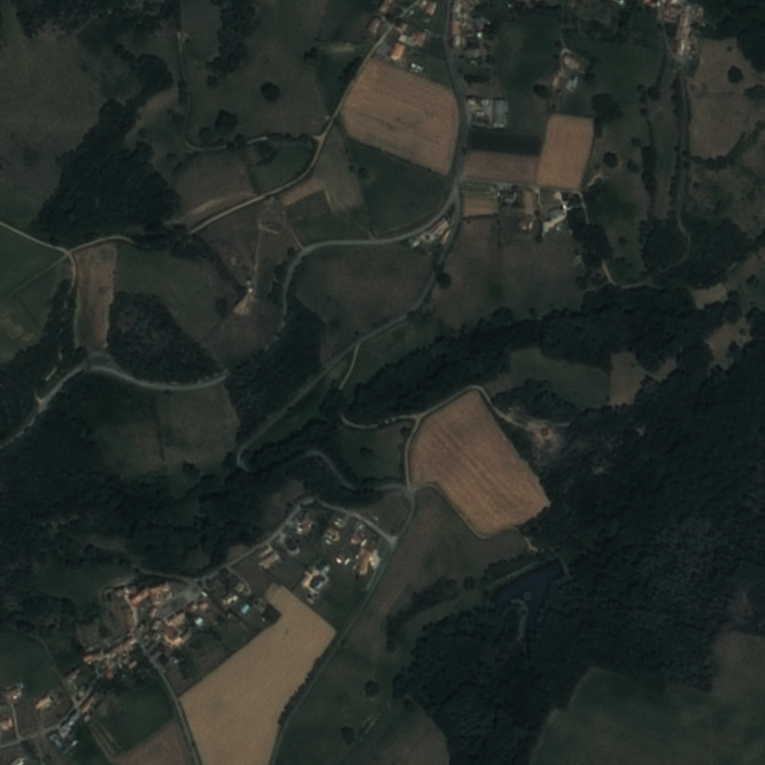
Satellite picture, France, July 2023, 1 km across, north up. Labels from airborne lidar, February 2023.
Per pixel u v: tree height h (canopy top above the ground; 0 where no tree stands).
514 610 10
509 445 0
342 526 0
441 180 0
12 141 0
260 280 0
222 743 0
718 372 0
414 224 0
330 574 0
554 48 0
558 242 0
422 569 0
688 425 28
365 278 0
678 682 16
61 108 0
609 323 30
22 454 9
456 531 0
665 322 11
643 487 20
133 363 10
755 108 0
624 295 10
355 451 0
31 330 0
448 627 17
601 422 10
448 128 0
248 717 0
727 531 14
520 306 0
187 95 11
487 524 0
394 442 0
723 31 13
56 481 10
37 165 0
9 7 0
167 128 0
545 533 9
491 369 14
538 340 6
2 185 0
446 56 0
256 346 0
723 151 0
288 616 0
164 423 0
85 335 0
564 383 0
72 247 0
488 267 0
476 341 13
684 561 23
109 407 0
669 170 0
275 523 0
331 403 11
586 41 0
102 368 0
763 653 0
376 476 0
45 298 0
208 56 0
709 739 0
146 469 0
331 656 0
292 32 0
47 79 0
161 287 0
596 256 6
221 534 19
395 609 0
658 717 0
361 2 0
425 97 0
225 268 0
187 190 0
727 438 13
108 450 0
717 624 16
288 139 8
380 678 0
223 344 0
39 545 13
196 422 0
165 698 0
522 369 0
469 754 28
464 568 0
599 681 0
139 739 0
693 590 21
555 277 0
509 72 0
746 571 18
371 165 0
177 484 0
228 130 19
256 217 0
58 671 0
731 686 0
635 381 0
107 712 0
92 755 0
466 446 0
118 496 7
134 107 14
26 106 0
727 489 11
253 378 16
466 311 0
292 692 0
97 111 0
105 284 0
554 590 13
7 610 16
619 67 0
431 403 9
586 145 0
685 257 13
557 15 15
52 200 8
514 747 23
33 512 9
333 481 16
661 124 0
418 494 0
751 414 14
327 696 0
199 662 0
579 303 0
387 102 0
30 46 0
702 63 0
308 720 0
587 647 21
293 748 0
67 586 0
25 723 0
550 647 16
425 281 0
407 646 0
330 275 0
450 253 0
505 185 0
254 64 0
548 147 0
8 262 0
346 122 0
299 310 7
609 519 20
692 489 14
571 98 0
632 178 0
